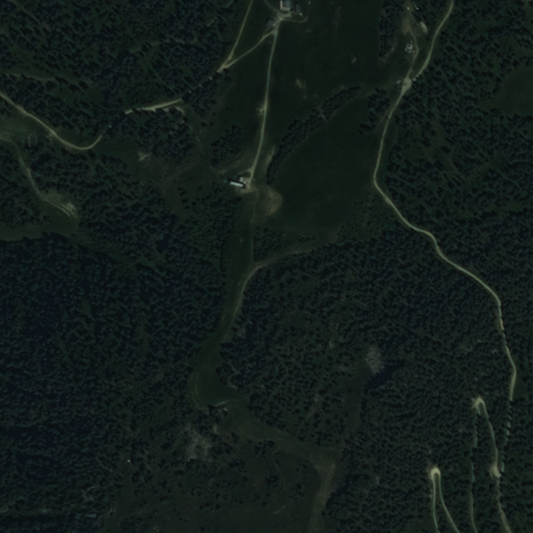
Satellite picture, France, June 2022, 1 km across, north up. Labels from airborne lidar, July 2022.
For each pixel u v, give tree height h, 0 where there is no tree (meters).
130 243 21
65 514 7
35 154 26
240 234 0
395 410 22
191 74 0
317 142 0
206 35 29
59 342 10
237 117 0
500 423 22
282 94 0
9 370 37
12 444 9
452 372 10
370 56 0
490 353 22
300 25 0
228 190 0
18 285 30
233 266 0
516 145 15
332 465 0
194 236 8
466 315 25
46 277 11
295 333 13
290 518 0
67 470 26
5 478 25
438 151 6
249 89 0
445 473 6
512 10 8
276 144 0
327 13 0
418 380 17
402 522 24
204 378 0
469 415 24
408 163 7
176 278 22
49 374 21
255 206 0
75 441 9
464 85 29
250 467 0
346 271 23
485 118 7
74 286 28
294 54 0
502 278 21
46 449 26
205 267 28
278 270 6
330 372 13
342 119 0
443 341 27
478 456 28
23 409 23
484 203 27
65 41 27
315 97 0
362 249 16
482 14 8
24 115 0
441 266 23
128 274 6
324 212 0
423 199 28
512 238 30
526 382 24
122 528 10
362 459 9
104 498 6
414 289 26
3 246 24
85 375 29
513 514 27
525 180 27
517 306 25
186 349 8
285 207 0
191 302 10
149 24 7
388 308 25
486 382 20
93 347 11
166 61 29
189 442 6
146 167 0
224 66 0
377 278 23
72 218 0
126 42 6
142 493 7
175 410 15
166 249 27
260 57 0
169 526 0
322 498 0
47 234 0
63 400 6
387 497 24
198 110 21
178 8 6
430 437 20
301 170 0
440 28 0
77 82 0
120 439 18
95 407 21
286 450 0
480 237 26
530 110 0
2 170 13
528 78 0
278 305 16
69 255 36
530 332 8
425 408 20
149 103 11
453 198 10
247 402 0
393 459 21
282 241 6
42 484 16
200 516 0
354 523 16
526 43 28
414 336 23
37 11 9
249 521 0
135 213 24
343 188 0
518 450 27
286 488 0
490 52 31
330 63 0
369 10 0
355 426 0
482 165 24
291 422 0
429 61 0
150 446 17
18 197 29
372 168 0
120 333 11
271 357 18
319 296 16
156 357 7
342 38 0
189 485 0
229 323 0
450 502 21
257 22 0
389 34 25
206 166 0
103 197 21
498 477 0
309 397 18
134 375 20
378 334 15
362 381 0
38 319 15
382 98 23
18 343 23
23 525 21
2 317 21
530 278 23
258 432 0
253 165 0
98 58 0
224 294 26
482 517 25
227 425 0
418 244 23
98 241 7
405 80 0
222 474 13
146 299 8
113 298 10
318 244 0
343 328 22
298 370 16
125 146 0
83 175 31
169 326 32
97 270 34
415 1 19
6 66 31
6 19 12
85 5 10
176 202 0
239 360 18
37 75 0
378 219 7
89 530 6
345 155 0
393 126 0
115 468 21
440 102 30
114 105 28
